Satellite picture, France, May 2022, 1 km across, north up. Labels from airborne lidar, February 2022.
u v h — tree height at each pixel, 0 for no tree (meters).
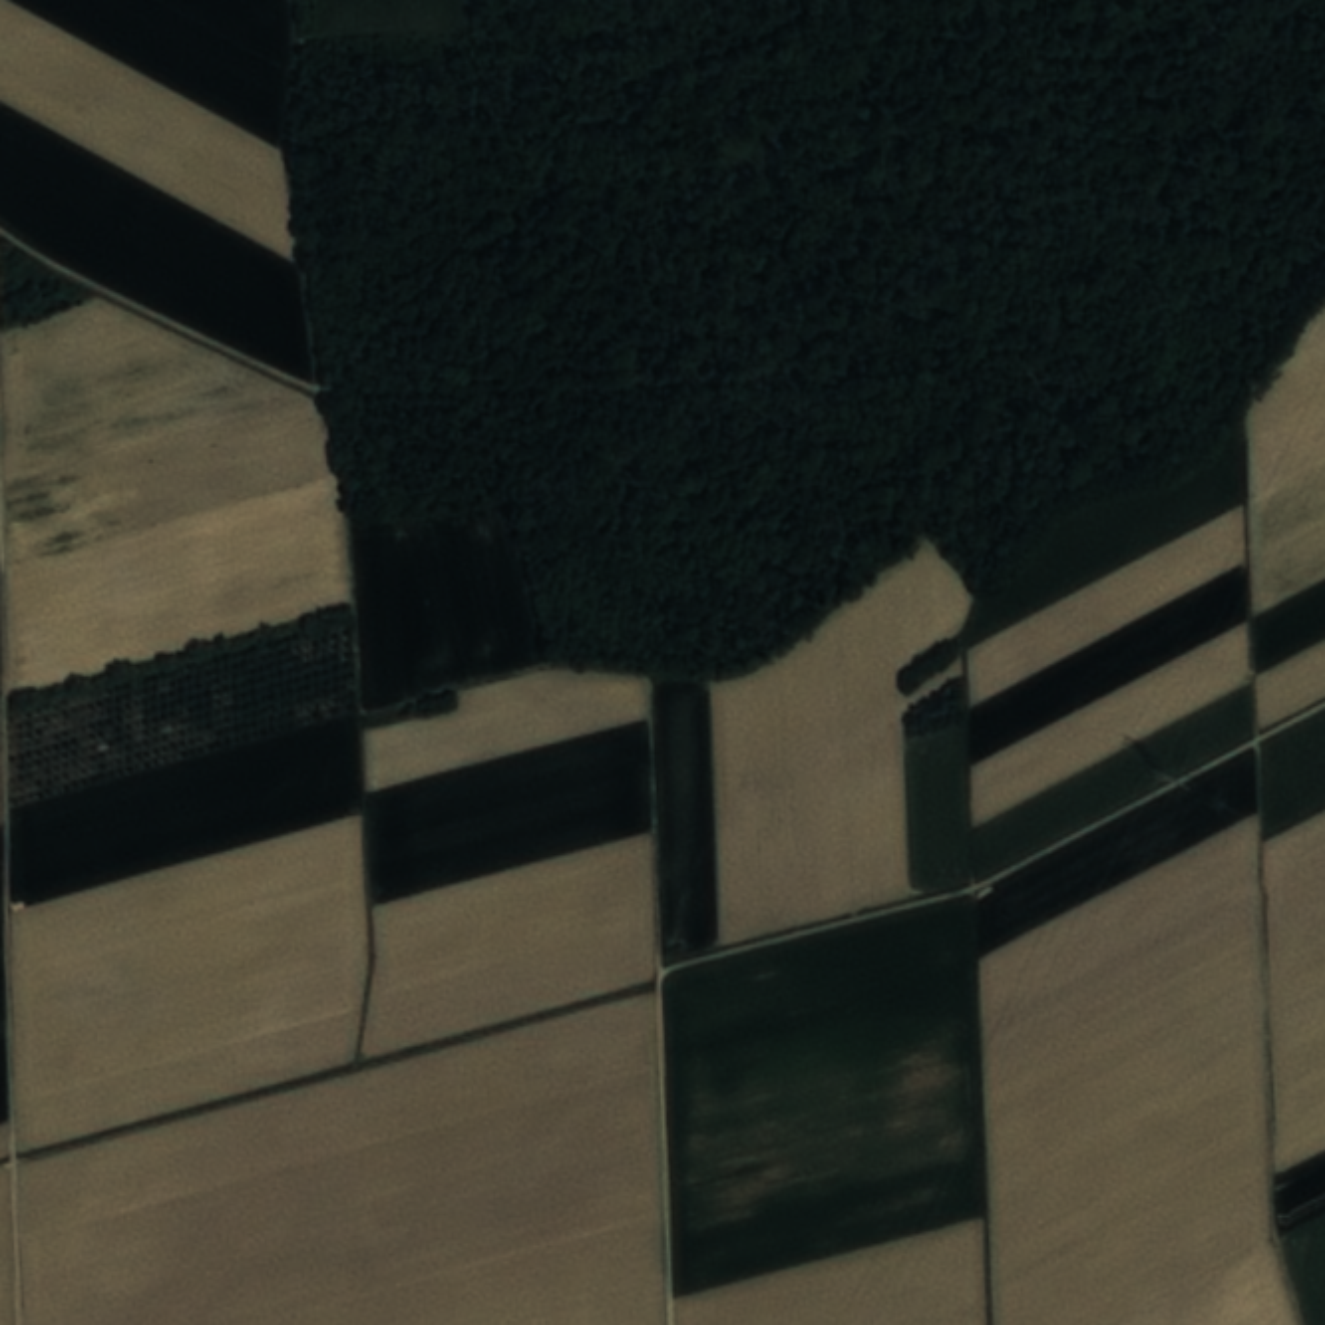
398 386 23
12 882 0
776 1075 0
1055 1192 0
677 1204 0
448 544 0
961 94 21
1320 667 0
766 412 28
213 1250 0
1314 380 0
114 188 0
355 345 15
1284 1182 0
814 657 0
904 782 0
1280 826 0
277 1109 0
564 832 0
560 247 23
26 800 0
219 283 0
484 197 22
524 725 0
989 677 0
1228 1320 0
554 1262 0
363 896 0
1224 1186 0
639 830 0
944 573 0
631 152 20
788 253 24
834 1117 0
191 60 0
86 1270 0
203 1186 0
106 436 0
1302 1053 0
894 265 13
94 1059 0
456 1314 0
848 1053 0
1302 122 26
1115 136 25
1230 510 0
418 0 0
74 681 8
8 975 0
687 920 0
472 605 0
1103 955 0
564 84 22
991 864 0
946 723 14
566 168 25
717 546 22
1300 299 31
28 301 10
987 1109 0
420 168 26
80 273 0
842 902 0
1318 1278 0
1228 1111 0
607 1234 0
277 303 0
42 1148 0
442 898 0
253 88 0
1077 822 0
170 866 0
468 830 0
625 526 21
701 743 0
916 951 0
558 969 0
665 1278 0
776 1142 0
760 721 0
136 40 0
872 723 0
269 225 0
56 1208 0
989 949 0
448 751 0
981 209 22
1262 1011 0
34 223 0
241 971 0
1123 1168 0
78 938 0
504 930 0
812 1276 0
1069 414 31
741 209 26
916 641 0
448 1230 0
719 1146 0
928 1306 0
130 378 0
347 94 22
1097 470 26
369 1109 0
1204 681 0
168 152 0
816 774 0
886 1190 0
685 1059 0
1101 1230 0
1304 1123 0
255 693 8
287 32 0
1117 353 24
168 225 0
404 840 0
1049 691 0
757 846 0
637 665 13
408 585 0
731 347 16
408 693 0
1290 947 0
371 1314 0
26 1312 0
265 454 0
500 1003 0
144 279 0
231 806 0
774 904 0
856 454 26
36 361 0
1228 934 0
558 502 20
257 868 0
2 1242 0
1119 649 0
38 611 0
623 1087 0
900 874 0
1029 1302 0
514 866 0
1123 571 0
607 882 0
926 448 28
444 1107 0
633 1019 0
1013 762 0
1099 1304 0
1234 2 28
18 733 0
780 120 20
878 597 0
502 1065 0
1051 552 0
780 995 0
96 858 0
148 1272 0
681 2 21
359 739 0
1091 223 27
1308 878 0
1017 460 25
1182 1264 0
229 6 0
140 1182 0
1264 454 0
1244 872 0
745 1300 0
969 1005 0
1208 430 29
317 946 0
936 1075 0
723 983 0
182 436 0
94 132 0
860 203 24
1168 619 0
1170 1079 0
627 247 24
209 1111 0
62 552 0
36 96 0
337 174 24
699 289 26
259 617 0
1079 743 0
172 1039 0
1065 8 26
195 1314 0
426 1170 0
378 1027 0
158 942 0
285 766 0
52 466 0
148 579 0
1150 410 25
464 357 22
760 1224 0
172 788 0
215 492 0
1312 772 0
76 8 0
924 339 24
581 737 0
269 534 0
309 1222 0
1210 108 31
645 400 24
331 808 0
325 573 0
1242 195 28
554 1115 0
